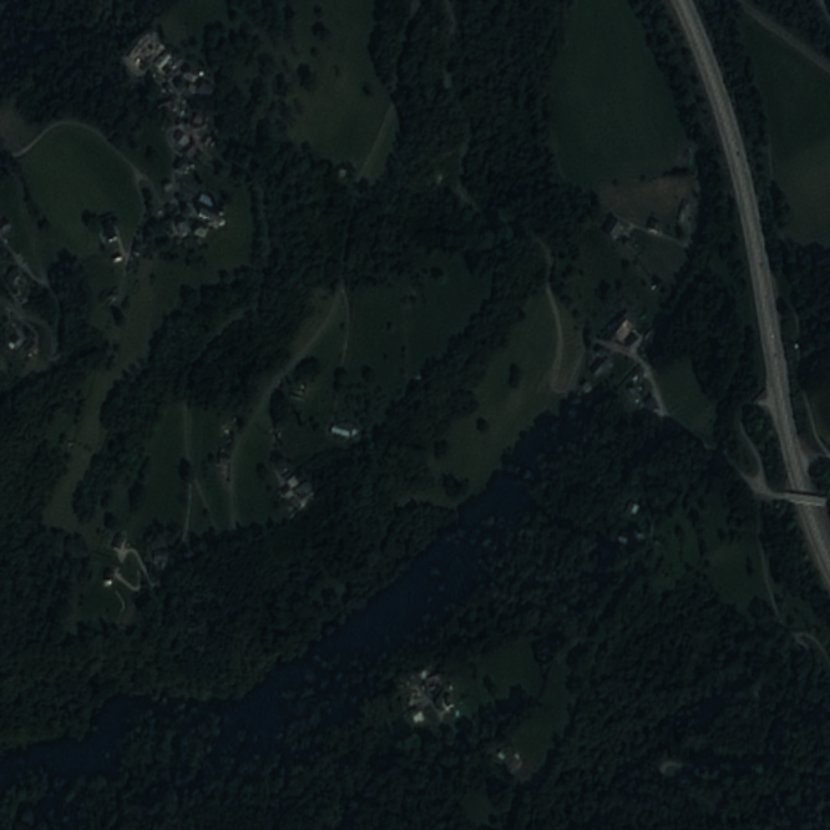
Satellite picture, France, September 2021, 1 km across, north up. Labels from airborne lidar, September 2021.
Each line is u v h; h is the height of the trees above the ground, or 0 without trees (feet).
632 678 39
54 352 0
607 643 64
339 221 21
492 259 57
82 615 0
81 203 0
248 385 80
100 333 22
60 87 102
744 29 0
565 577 93
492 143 60
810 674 34
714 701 47
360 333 0
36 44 84
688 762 19
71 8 65
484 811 0
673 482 66
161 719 73
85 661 74
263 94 63
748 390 35
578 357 0
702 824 50
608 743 90
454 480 21
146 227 32
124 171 0
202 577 80
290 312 73
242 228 0
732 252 37
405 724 0
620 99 0
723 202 61
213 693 129
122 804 121
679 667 46
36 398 83
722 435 20
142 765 93
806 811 43
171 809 95
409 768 87
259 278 49
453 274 0
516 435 0
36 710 81
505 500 90
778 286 0
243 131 75
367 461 63
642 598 68
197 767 119
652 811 93
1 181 44
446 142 102
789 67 0
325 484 64
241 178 45
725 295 19
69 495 0
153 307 0
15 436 78
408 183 80
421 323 0
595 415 70
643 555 36
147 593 38
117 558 0
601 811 91
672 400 0
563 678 0
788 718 95
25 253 0
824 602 48
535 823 46
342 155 0
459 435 0
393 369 0
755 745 85
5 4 82
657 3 37
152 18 59
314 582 90
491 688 70
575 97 0
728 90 32
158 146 0
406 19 92
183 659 81
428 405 83
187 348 77
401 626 77
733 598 0
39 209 32
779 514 31
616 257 0
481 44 74
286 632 63
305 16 0
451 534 28
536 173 31
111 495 59
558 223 28
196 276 0
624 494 76
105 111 80
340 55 0
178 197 23
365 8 0
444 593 78
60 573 85
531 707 91
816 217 0
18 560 100
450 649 86
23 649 65
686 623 49
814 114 0
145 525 0
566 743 19
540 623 92
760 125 76
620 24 0
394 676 73
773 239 66
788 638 37
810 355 18
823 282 68
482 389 0
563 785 104
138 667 76
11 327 0
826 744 118
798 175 0
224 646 83
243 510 0
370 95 62
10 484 62
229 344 33
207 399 93
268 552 39
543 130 91
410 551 94
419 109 79
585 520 83
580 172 0
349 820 26
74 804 65
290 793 89
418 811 74
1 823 77
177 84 44
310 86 97
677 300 24
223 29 46
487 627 85
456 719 0
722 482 93
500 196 41
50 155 0
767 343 0
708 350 23
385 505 78
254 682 69
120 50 19
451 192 21
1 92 73
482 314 36
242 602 79
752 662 69
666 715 27
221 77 43
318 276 90
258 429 0
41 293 21
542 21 76
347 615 124
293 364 0
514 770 0
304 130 0
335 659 113
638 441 58
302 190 83
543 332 0
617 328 0
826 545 0
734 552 0
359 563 31
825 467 46
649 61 0
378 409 21
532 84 85
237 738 133
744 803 80
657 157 0
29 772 47
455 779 31
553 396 0
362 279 43
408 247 60
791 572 66
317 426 56
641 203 0
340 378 49
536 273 34
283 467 41
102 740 119
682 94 84
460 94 18
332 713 96
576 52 0
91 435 0
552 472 85
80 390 30
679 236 42
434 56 67
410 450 90
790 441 0
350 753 62
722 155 21
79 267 33
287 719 93
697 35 0
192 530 0
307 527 52
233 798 78
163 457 0
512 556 69
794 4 46
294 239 83
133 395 95
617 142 0
